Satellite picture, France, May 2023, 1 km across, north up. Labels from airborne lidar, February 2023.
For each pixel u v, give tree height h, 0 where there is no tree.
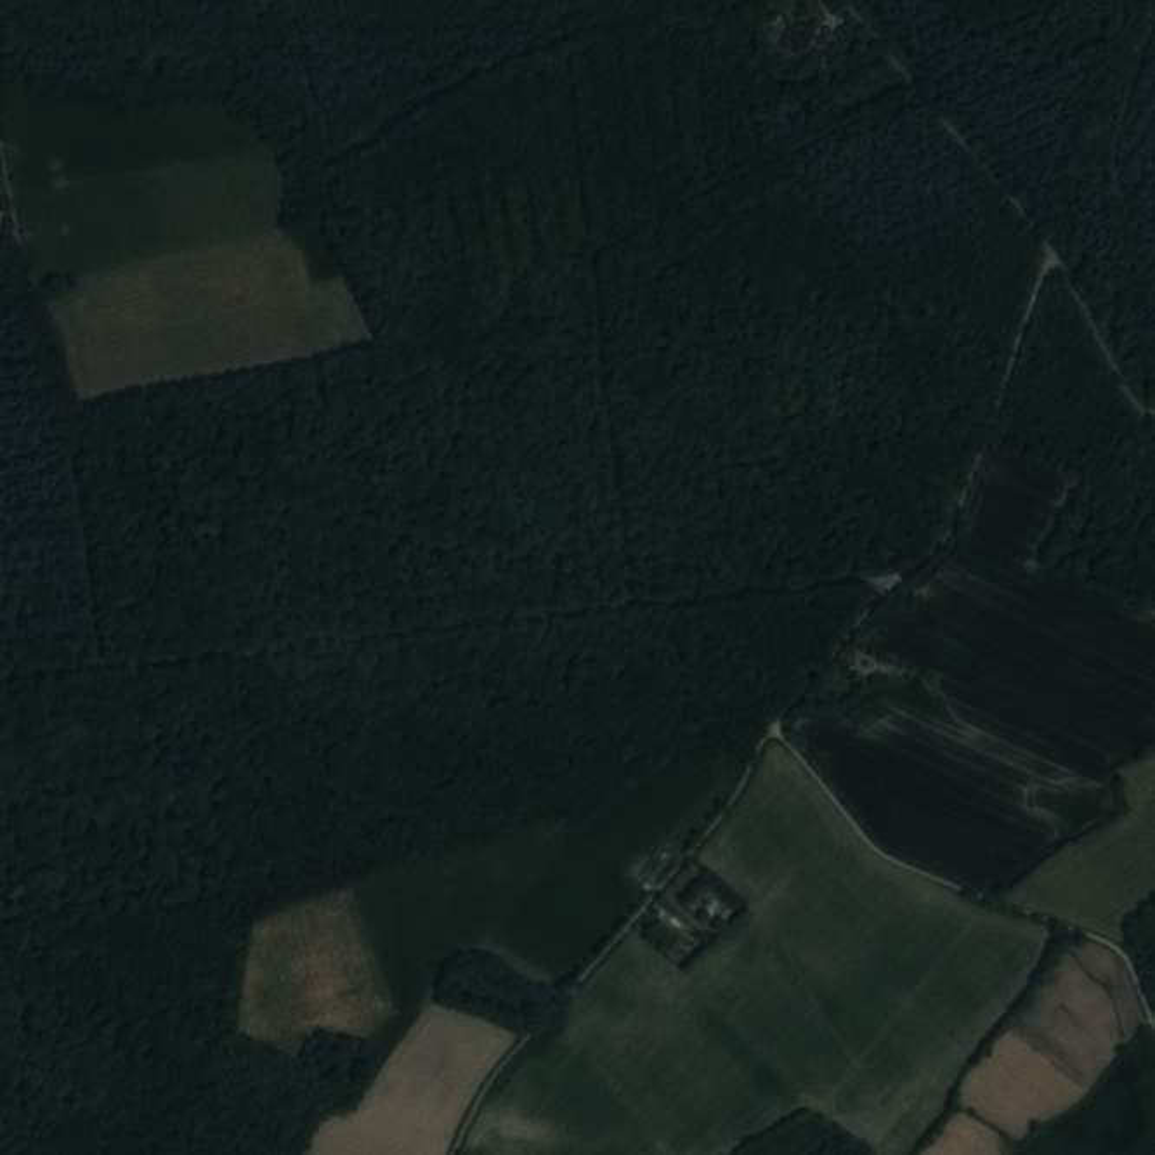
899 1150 0
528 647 21
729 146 12
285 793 17
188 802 21
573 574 12
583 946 0
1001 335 11
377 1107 0
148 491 20
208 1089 18
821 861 0
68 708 17
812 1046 0
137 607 20
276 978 0
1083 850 0
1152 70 13
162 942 12
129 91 16
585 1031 0
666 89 9
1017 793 0
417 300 18
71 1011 10
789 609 17
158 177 0
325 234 14
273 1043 0
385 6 14
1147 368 17
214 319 0
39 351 19
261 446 20
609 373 15
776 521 19
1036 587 0
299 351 0
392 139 16
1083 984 0
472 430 17
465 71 10
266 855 16
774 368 10
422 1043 0
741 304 19
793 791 0
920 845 0
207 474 20
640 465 16
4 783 21
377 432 20
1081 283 17
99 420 22
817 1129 7
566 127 10
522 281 8
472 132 12
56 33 15
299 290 0
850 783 0
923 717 0
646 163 11
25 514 28
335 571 20
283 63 14
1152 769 0
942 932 0
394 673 19
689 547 21
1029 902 0
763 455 12
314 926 0
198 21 12
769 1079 0
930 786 0
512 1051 0
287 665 18
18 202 0
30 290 16
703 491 16
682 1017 0
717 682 18
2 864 18
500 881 0
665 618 19
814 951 0
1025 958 0
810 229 15
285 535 20
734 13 17
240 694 16
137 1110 11
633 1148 0
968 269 13
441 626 14
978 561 0
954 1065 0
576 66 10
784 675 19
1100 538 6
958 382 15
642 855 0
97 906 19
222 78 12
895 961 0
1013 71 19
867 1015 0
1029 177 19
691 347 14
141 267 0
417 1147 0
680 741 19
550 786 19
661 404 14
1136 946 15
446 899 0
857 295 21
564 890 0
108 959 11
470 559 19
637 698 16
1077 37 6
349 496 21
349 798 17
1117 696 0
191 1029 10
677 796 0
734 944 0
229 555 21
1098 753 0
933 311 13
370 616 19
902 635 0
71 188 0
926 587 0
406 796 19
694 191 11
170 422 21
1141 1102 0
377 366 20
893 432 8
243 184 0
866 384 13
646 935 9
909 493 18
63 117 0
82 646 14
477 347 17
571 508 17
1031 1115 0
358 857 16
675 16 16
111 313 0
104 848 24
